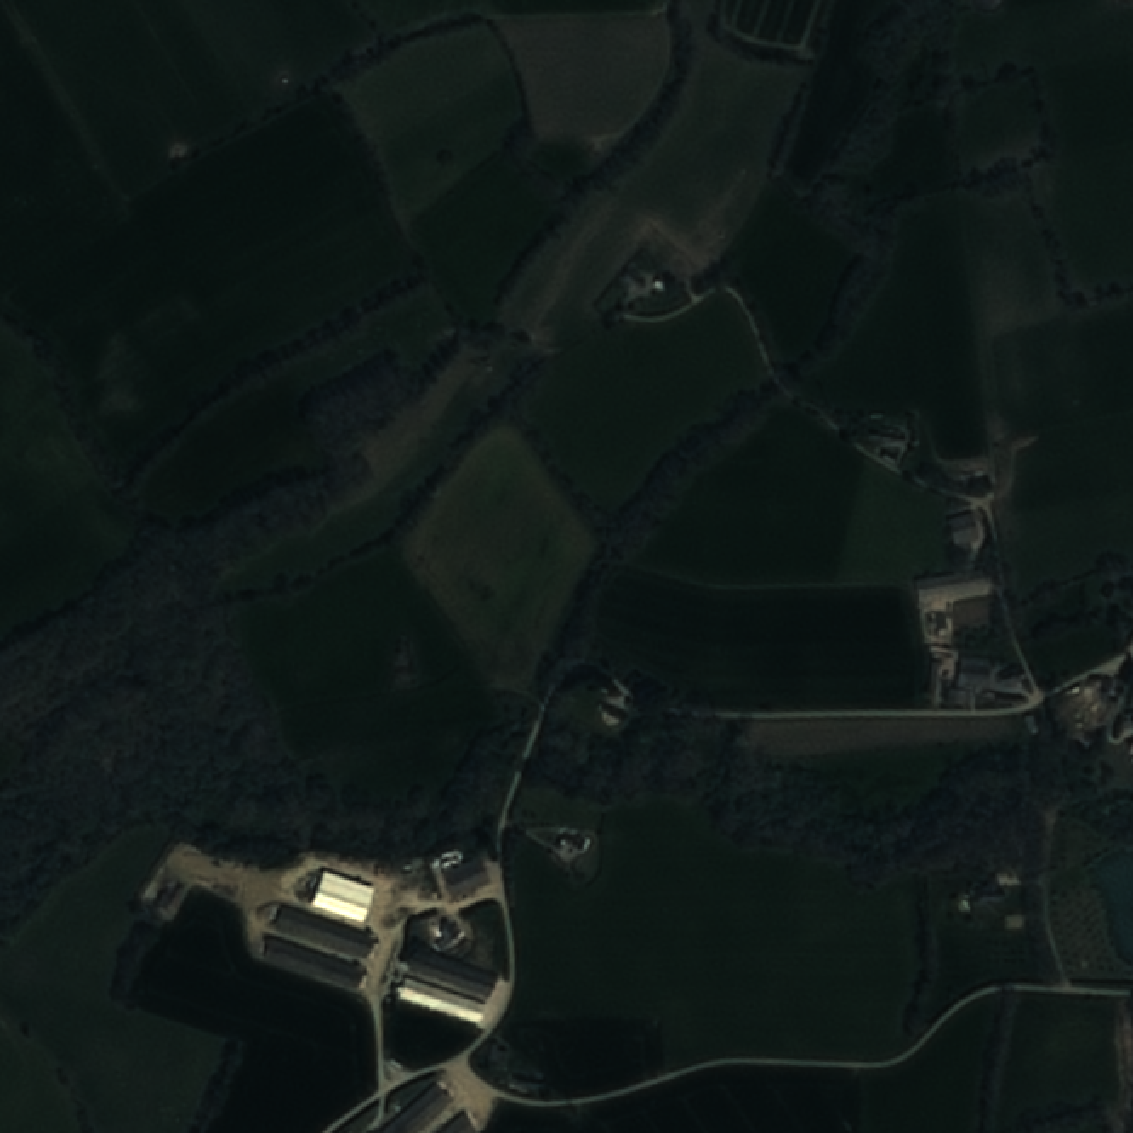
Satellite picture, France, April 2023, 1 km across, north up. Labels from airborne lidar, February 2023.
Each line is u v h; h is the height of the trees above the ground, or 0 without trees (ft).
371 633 0
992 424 0
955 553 51
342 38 0
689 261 0
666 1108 0
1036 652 0
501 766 22
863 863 56
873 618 0
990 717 0
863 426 28
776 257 0
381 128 0
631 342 0
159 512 0
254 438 0
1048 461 0
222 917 0
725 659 0
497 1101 0
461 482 0
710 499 0
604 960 0
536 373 50
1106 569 47
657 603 0
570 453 0
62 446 0
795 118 24
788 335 0
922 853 91
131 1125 0
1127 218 0
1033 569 0
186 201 0
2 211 0
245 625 0
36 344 32
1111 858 0
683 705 52
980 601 0
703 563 0
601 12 0
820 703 0
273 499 67
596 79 0
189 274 0
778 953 0
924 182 0
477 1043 0
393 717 0
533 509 0
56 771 46
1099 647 0
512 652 0
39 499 0
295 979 0
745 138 0
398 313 0
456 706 0
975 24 0
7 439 0
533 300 0
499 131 0
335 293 0
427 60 0
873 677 0
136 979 0
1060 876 0
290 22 0
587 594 45
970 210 0
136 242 0
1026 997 0
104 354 0
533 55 0
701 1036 0
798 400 24
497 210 0
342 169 0
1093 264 0
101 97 0
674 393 0
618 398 0
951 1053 0
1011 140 0
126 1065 0
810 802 38
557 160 0
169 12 0
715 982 0
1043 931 44
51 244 0
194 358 0
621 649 0
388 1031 0
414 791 28
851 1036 0
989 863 72
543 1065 0
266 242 0
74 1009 0
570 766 41
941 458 0
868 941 0
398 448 0
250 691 43
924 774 0
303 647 0
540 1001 0
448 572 0
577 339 0
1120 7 0
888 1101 0
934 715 0
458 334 36
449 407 0
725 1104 0
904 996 0
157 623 65
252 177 0
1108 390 0
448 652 0
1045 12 0
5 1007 0
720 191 0
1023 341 0
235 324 0
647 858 0
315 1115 0
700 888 0
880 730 0
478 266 0
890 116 30
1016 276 0
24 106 0
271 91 0
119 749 20
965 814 88
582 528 0
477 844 32
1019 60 0
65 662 63
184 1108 0
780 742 0
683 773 37
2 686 68
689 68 32
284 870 0
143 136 0
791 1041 0
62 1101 0
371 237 0
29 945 0
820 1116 0
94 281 0
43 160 0
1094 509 0
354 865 0
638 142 58
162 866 0
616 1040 0
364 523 0
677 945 0
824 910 0
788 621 0
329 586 0
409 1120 0
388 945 0
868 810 0
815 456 0
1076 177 0
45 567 0
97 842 26
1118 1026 0
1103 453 0
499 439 0
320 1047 0
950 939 0
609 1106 0
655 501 71
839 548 0
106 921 0
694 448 63
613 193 36
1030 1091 0
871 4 0
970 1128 0
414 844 30
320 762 0
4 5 0
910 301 0
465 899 0
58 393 47
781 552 0
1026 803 80
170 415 0
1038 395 0
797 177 0
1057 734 51
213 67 0
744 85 0
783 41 0
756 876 0
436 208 0
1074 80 0
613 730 0
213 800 34
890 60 66
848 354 0
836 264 0
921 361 0
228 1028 0
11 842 58
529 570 0
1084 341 0
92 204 0
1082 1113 30
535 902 0
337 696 0
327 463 44
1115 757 0
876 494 0
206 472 0
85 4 0
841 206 24
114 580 53
